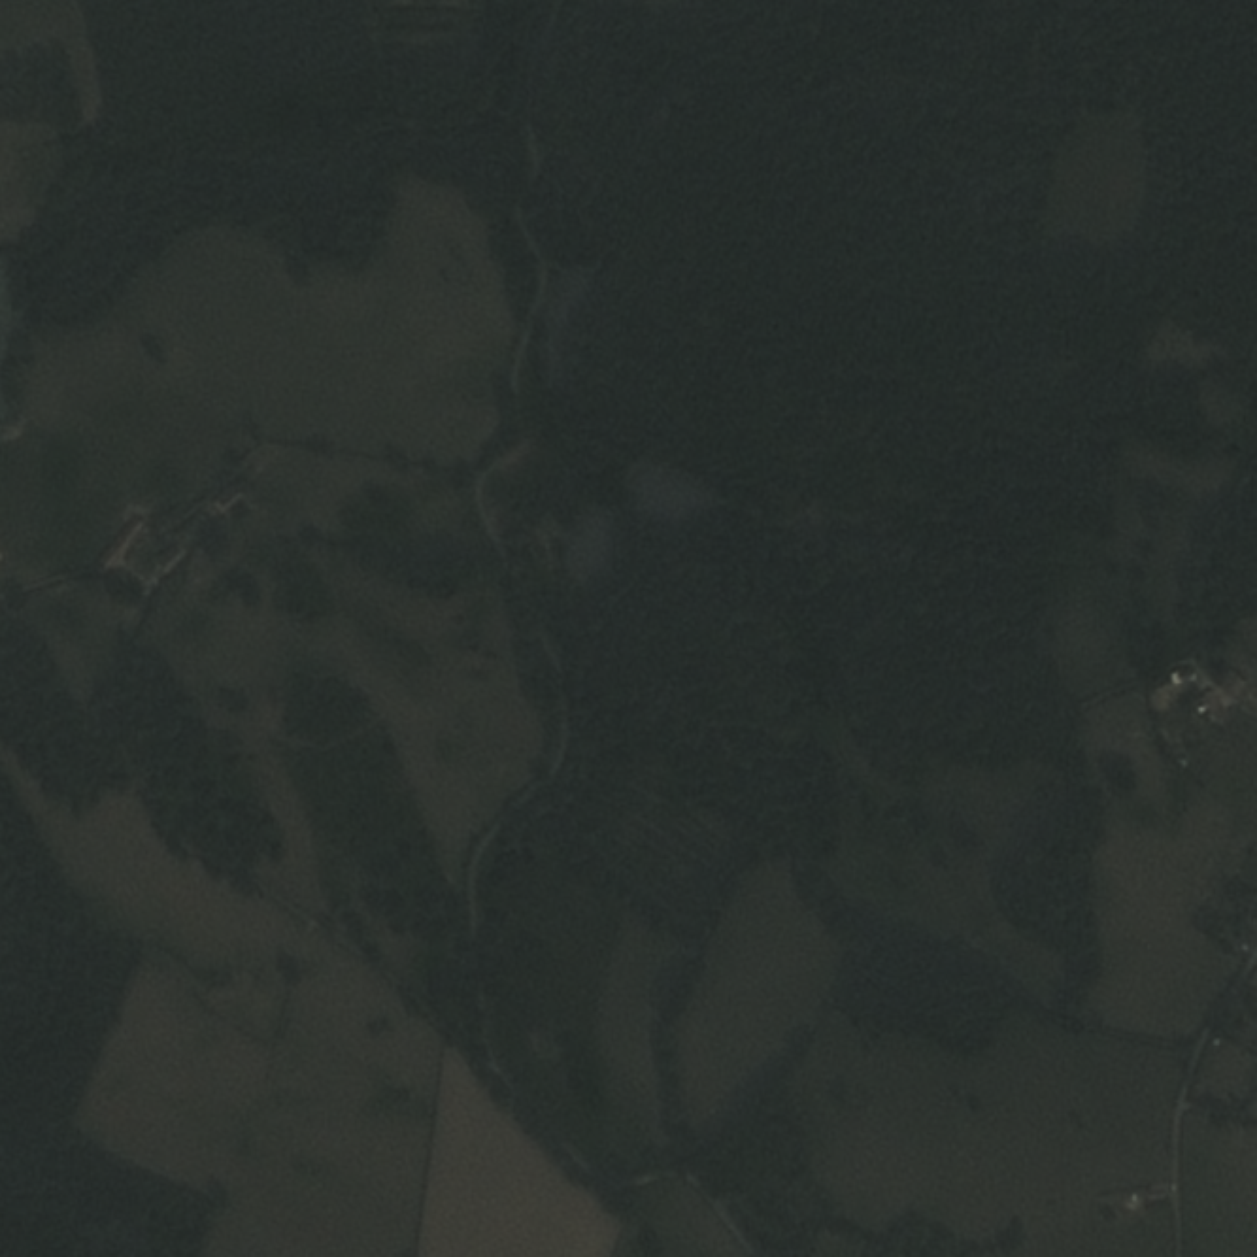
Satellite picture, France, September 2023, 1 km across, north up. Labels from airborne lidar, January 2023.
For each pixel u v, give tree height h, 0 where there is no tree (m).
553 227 24
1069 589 0
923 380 15
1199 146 16
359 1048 0
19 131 0
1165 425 18
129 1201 8
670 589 26
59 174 7
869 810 8
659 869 0
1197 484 0
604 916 0
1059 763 16
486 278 0
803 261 20
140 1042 0
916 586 26
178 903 0
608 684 29
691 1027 0
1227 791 0
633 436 23
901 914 0
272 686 0
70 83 13
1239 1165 0
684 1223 0
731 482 14
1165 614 0
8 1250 11
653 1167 14
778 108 19
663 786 0
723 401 19
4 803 15
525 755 0
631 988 0
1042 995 0
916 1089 0
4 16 0
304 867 0
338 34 25
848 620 33
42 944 9
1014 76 17
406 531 0
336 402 0
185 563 0
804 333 24
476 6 0
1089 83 16
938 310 20
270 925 0
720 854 0
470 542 0
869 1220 0
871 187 18
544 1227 0
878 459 25
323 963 0
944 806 0
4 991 15
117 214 6
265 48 30
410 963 0
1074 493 18
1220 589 17
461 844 0
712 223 22
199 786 14
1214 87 20
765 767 18
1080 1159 0
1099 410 21
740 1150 15
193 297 0
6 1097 7
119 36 22
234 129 24
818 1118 0
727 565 27
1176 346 0
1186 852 0
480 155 9
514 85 15
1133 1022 0
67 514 0
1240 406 0
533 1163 0
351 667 0
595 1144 0
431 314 0
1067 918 18
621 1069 0
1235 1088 0
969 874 0
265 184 7
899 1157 0
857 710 26
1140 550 11
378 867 12
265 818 8
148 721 16
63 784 19
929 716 26
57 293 24
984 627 23
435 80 20
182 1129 0
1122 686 0
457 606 0
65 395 0
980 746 25
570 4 8
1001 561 24
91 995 6
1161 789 0
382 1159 0
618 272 23
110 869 0
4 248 9
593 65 16
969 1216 0
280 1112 0
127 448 0
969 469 27
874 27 19
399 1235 0
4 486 0
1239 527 18
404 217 0
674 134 21
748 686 26
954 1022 21
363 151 12
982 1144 0
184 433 0
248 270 0
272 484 0
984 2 23
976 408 18
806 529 29
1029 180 8
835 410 26
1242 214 24
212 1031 0
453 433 0
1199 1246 0
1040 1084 0
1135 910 0
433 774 0
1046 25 17
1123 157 0
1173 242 19
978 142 10
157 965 0
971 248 17
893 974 23
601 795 0
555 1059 0
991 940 0
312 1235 0
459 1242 0
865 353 22
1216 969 0
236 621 0
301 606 15
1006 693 24
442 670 0
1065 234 0
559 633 16
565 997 0
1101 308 21
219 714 0
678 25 17
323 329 0
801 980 0
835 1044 0
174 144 12
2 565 0
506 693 0
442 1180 0
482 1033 16
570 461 0
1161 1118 0
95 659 0
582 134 16
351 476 0
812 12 21
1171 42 22
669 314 26
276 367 0
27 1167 25
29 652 16
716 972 0
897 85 18
